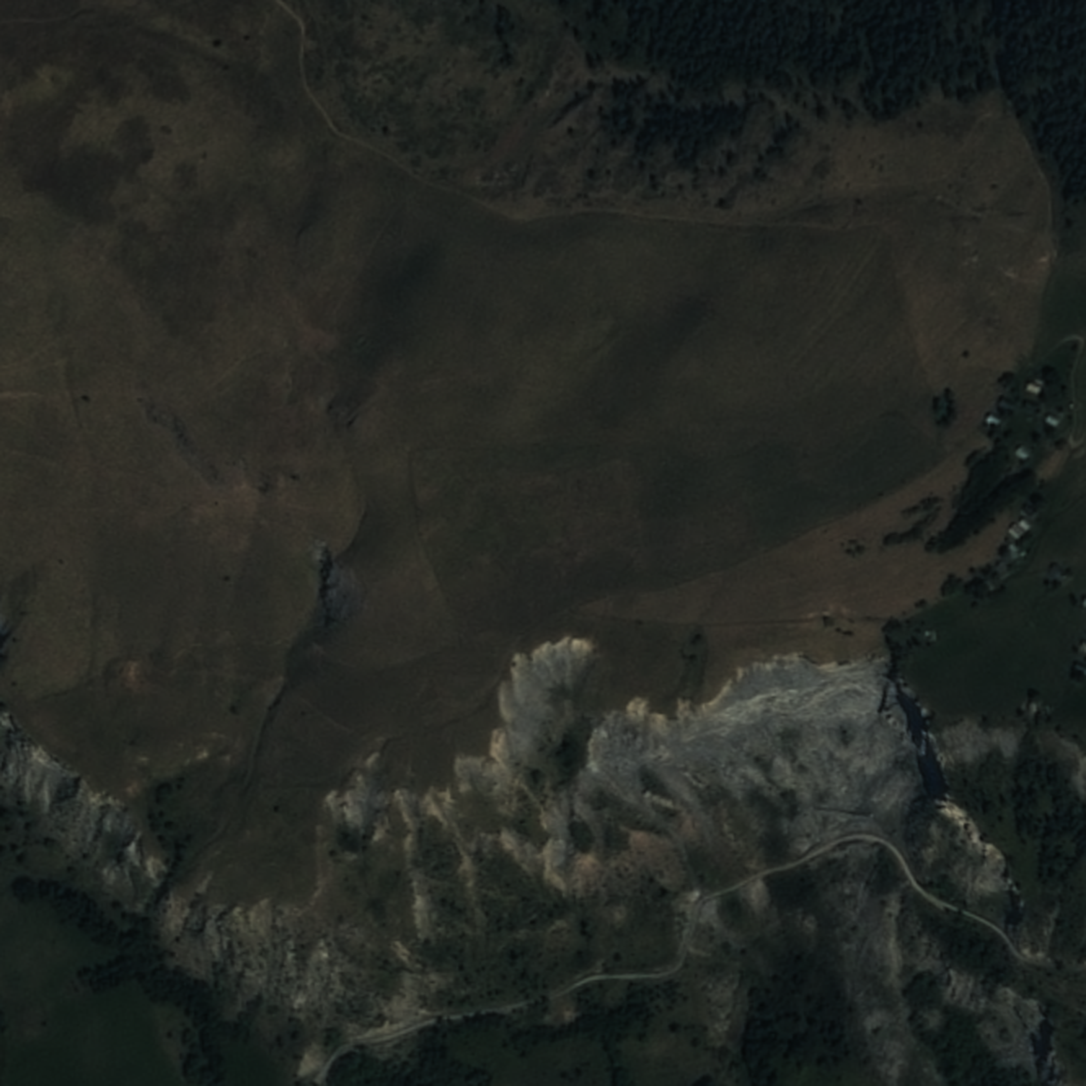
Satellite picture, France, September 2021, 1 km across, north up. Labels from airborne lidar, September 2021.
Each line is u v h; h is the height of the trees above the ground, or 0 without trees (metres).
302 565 0
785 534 0
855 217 0
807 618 0
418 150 0
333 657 0
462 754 0
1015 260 0
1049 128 9
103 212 0
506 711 0
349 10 0
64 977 0
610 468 0
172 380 0
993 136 0
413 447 0
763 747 0
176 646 0
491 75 0
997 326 0
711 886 0
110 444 0
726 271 0
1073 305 0
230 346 0
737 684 0
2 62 0
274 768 0
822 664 0
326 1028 6
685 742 0
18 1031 0
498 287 0
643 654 0
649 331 0
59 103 0
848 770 0
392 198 0
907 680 0
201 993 16
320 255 0
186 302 0
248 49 0
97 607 0
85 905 14
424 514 0
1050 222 0
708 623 0
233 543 0
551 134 0
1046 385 9
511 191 0
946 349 0
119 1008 0
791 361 0
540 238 0
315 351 0
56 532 0
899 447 0
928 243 0
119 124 0
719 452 0
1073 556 0
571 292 0
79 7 0
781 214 0
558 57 0
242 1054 0
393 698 0
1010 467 10
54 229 0
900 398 0
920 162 0
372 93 0
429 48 0
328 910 0
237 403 0
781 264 0
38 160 0
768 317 0
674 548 0
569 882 0
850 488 0
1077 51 18
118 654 0
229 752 0
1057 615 0
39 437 0
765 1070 19
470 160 0
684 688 0
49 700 0
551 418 0
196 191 0
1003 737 0
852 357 0
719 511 0
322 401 0
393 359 0
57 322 0
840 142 0
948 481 0
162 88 0
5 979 0
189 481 0
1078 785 0
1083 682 12
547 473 0
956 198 0
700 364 0
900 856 0
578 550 0
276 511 0
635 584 0
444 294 0
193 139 0
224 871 0
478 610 0
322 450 0
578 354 0
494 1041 0
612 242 0
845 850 0
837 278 0
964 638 0
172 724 0
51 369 0
